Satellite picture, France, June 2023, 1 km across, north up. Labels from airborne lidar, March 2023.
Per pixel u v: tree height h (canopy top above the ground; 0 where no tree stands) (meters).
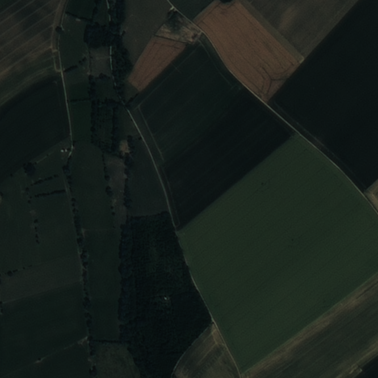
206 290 0
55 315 0
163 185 0
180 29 0
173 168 0
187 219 0
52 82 0
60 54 0
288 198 0
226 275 0
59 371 0
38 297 0
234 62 0
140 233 7
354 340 0
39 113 0
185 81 0
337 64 0
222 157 0
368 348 0
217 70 0
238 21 0
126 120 0
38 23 0
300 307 0
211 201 0
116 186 0
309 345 0
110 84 0
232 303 0
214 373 0
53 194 6
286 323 0
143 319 28
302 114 0
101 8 0
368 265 0
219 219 0
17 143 0
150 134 0
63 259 0
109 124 0
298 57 0
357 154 0
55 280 0
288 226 0
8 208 0
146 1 0
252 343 0
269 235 0
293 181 0
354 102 0
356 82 0
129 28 0
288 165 0
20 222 0
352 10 0
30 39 0
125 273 24
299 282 0
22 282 0
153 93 0
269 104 0
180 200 0
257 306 0
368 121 0
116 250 0
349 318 0
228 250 0
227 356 0
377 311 0
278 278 0
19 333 0
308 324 0
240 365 0
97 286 0
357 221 0
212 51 0
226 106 0
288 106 0
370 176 0
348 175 0
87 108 0
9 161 0
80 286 0
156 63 0
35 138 0
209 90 0
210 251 0
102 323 0
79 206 0
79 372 0
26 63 0
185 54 0
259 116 0
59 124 0
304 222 0
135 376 0
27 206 0
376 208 0
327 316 0
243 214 0
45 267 0
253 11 0
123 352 0
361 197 0
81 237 9
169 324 9
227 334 0
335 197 0
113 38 18
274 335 0
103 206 0
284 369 0
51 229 0
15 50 0
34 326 0
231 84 0
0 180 0
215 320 0
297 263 0
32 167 25
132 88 0
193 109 0
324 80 0
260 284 0
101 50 0
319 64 0
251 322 0
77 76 0
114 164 0
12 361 0
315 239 0
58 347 0
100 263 0
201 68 0
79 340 0
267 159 0
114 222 0
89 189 0
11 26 0
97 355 0
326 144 0
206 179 0
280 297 0
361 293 0
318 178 0
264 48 0
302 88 0
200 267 0
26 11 0
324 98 0
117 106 17
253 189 0
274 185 0
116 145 15
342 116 0
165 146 0
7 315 0
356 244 0
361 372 0
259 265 0
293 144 0
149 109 0
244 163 0
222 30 0
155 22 0
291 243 0
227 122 0
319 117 0
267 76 0
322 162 0
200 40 0
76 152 0
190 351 0
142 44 0
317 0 0
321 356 0
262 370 0
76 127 0
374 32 0
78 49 0
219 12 0
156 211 0
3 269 0
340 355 0
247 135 0
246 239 0
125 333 21
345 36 0
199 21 0
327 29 0
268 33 0
